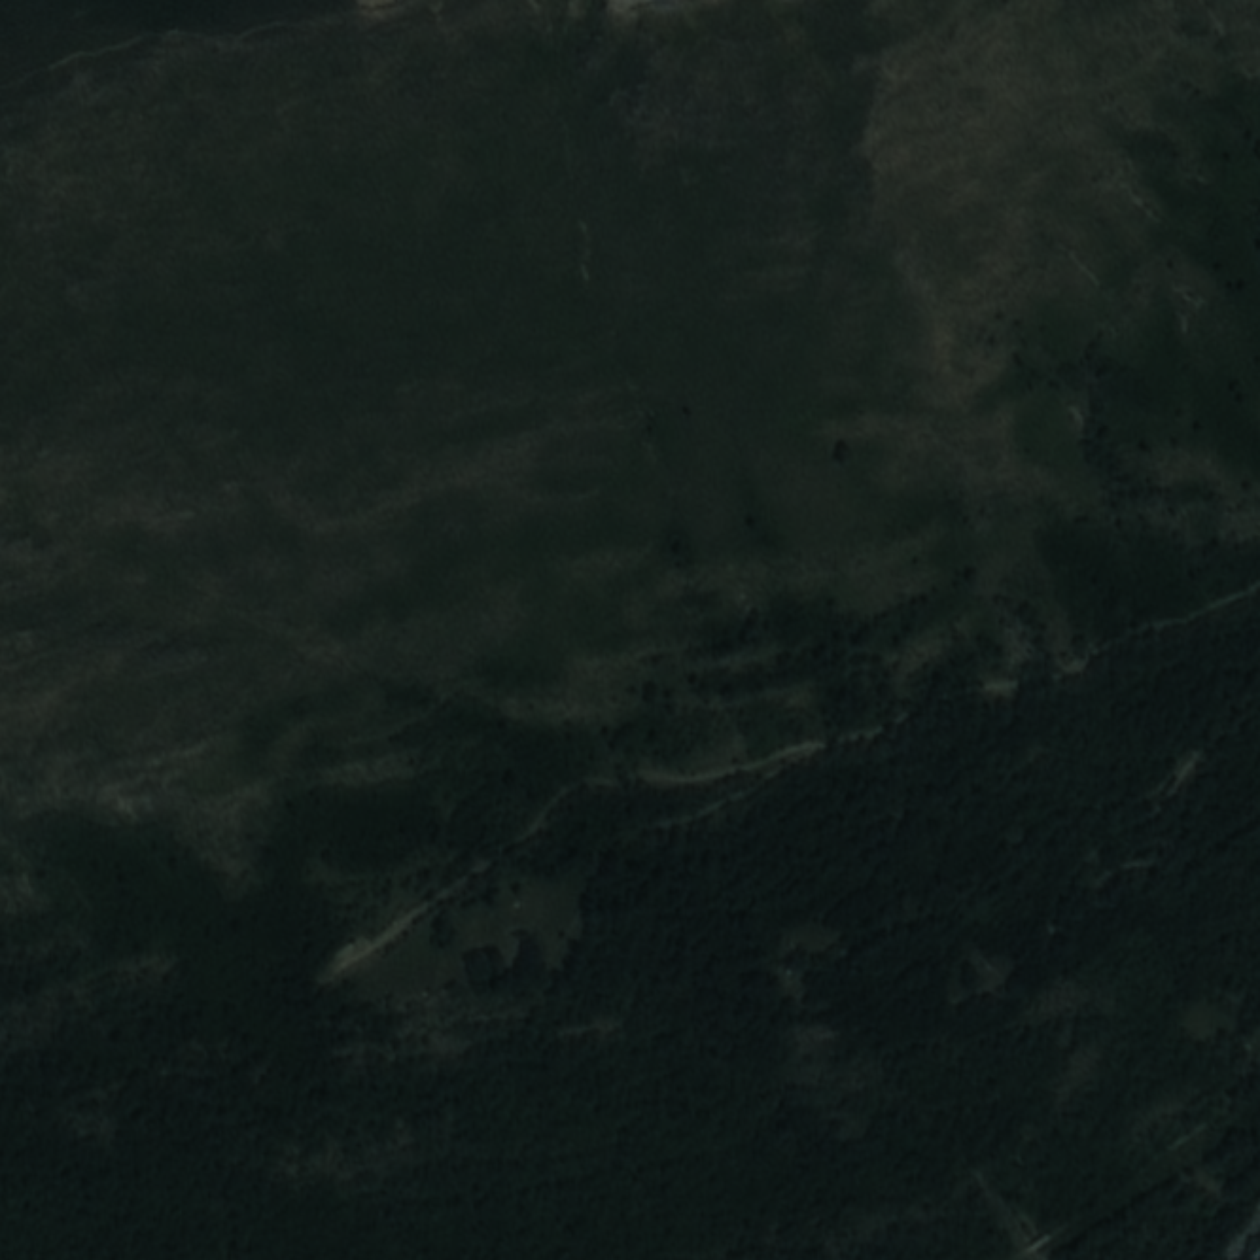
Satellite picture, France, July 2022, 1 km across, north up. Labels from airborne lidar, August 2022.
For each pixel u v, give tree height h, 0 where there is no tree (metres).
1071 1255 16
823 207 0
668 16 0
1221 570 11
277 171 0
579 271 0
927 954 14
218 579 0
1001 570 0
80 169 0
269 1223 18
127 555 0
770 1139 24
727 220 0
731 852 10
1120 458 7
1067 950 17
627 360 0
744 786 8
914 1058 14
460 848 9
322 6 0
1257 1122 16
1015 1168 21
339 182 0
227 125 0
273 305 0
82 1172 16
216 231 0
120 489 0
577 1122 16
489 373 0
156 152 0
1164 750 11
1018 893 13
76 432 0
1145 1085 8
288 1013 6
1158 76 0
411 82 0
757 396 0
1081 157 0
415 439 0
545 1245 18
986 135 0
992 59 0
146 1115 14
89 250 0
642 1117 15
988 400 0
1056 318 0
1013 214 0
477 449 0
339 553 0
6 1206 14
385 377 0
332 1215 18
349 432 0
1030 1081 15
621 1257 20
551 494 0
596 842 10
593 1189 18
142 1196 20
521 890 12
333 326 0
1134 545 10
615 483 0
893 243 0
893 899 7
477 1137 12
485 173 0
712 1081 18
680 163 0
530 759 6
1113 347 0
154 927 8
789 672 6
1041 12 0
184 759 0
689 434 0
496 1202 13
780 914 10
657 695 16
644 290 0
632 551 0
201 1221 19
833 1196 17
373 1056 9
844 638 11
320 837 5
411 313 0
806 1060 8
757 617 13
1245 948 14
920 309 0
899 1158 12
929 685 10
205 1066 11
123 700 0
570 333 0
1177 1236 15
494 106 0
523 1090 18
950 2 0
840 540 0
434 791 8
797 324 0
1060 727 10
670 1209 19
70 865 8
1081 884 14
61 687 0
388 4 0
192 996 8
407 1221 15
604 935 18
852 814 9
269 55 0
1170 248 0
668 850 16
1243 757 9
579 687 0
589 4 0
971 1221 10
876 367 0
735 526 0
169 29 0
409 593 0
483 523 0
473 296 0
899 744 19
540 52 0
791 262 0
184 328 0
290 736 0
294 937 7
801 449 0
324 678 0
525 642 0
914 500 0
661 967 24
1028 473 0
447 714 6
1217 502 13
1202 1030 0
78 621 0
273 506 0
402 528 0
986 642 7
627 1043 9
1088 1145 16
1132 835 15
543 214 0
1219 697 18
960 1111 10
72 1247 17
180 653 0
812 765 7
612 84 0
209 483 0
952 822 15
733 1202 14
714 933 21
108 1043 7
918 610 8
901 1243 14
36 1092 12
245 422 0
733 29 0
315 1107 17
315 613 0
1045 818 11
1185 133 0
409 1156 9
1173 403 0
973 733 9
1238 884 19
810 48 0
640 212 0
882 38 0
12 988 8
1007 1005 11
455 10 0
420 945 0
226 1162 7
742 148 0
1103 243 0
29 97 0
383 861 7
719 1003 26
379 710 0
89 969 7
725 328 0
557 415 0
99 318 0
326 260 0
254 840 7
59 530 0
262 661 0
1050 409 0
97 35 0
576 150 0
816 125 0
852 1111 7
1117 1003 6
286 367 0
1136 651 16
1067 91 0
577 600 0
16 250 0
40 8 0
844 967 16
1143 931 15
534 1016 12
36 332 0
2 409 0
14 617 0
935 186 0
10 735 0
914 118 0
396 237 0
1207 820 17
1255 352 0
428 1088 10
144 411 0
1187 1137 10
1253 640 18
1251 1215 16
